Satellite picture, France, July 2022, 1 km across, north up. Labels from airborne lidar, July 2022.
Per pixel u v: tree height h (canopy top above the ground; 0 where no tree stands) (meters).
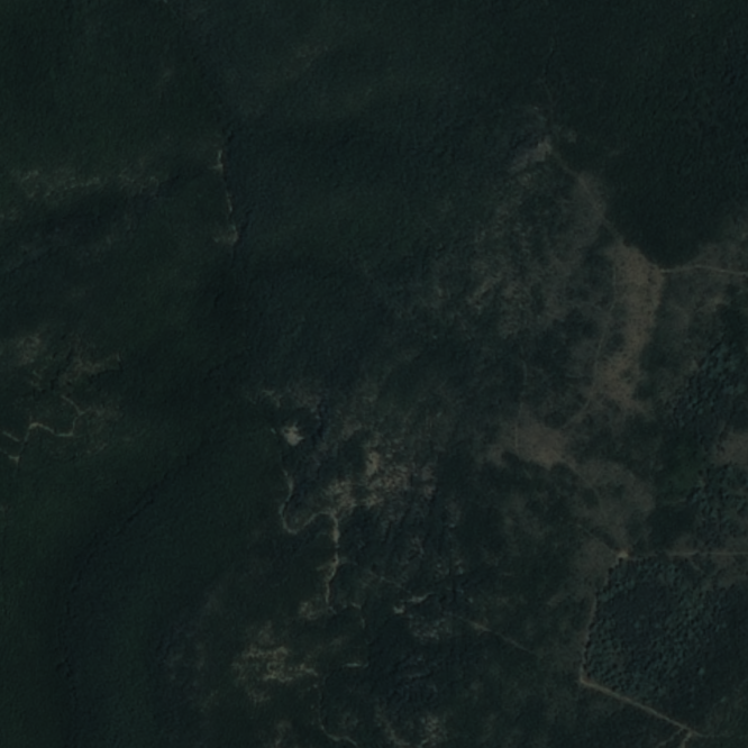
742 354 6
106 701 10
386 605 8
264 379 6
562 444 0
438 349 7
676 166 11
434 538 8
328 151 11
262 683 6
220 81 9
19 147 8
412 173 9
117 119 8
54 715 11
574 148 6
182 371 18
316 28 6
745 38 9
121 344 12
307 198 8
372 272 8
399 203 9
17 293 8
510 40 11
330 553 9
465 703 7
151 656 9
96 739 11
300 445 7
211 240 10
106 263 8
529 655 6
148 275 9
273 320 9
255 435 7
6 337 6
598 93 10
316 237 8
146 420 13
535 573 9
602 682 6
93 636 8
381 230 9
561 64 5
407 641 9
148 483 16
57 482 11
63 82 10
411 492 6
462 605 6
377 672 10
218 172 8
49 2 14
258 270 13
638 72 10
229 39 7
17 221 11
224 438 9
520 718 8
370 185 8
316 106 6
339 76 8
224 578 7
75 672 13
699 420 16
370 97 6
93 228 7
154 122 12
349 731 6
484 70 9
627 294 0
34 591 13
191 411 21
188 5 6
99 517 14
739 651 9
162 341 14
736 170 9
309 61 7
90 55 8
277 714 6
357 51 10
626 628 12
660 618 11
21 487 9
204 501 12
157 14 14
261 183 7
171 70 7
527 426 0
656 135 15
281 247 8
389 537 6
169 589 9
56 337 10
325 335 6
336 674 8
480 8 9
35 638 11
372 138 12
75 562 16
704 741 6
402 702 7
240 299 14
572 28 8
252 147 8
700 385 14
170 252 11
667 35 10
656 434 5
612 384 0
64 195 7
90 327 8
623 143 7
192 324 15
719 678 5
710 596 7
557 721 6
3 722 12
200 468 14
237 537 11
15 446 7
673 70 13
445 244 6
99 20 9
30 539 10
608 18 8
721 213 7
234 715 8
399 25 5
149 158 5
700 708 6
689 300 0
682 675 8
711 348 6
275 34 6
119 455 9
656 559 9
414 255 8
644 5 7
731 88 12
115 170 10
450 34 6
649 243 7
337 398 5
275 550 10
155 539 10
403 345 6
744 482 8
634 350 0
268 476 11
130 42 11
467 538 6
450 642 6
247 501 9
